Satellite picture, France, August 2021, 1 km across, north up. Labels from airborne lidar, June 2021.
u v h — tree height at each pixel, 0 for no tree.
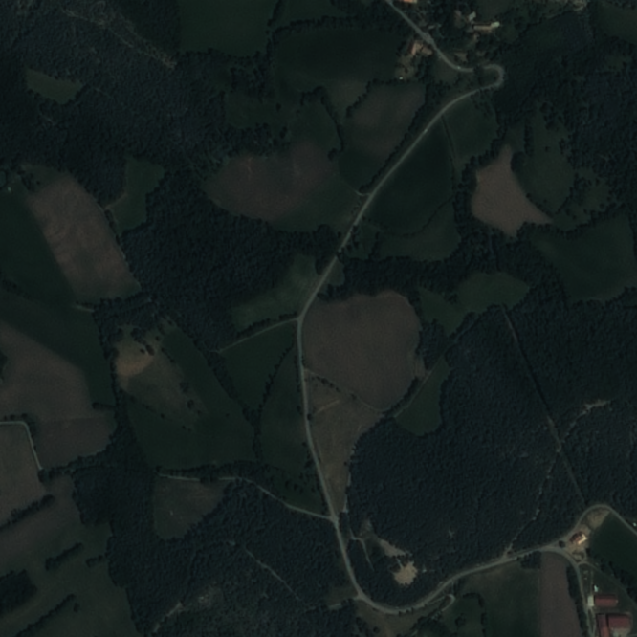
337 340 0
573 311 16
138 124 17
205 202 20
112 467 12
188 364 0
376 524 11
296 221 0
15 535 0
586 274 0
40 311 0
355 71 0
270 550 18
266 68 14
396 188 0
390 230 7
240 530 17
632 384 16
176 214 18
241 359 0
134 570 20
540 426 11
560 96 20
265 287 22
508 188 0
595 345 18
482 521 13
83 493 15
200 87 19
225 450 0
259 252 24
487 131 0
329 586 13
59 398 0
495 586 0
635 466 14
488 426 15
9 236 0
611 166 15
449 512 12
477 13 10
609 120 11
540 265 20
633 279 0
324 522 10
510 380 16
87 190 12
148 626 15
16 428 0
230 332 17
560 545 10
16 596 15
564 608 0
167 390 0
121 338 12
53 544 0
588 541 0
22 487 0
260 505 16
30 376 0
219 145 20
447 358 11
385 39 0
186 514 0
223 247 20
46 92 0
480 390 10
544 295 7
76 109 20
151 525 19
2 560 0
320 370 0
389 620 0
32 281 0
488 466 14
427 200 0
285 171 0
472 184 17
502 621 0
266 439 0
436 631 13
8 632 0
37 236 0
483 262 20
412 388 9
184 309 18
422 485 13
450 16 10
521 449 7
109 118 22
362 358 0
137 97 17
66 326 0
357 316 0
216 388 0
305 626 13
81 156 20
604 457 13
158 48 7
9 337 0
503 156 0
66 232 0
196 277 30
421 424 0
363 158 0
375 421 0
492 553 11
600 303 9
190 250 16
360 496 11
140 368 0
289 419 0
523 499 11
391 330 0
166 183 14
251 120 0
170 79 13
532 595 0
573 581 14
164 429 0
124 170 14
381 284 19
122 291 0
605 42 12
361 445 11
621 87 10
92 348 0
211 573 14
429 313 0
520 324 21
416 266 14
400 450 19
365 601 0
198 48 0
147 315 11
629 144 14
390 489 14
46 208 0
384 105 0
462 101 0
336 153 13
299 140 0
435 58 11
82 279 0
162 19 21
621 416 5
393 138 0
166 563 17
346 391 0
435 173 0
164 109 12
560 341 17
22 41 13
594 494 14
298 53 0
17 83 19
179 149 17
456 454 16
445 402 16
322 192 0
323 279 0
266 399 10
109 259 0
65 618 0
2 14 14
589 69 10
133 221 0
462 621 8
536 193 0
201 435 0
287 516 17
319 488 9
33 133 20
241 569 15
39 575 0
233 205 0
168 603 16
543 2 8
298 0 0
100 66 12
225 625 6
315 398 0
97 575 0
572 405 11
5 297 0
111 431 0
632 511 11
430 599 0
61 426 0
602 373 17
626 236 0
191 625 16
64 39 9
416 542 11
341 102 0
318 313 0
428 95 9
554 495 8
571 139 8
